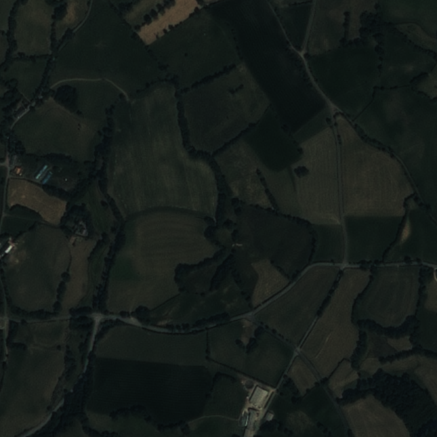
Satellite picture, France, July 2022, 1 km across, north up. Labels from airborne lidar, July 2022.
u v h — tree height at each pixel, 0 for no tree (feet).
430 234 0
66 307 0
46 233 0
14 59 18
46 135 0
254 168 0
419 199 72
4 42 0
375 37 54
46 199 0
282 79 0
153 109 0
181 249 0
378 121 0
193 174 0
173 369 0
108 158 38
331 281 0
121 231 29
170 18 0
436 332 0
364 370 0
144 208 0
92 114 0
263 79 0
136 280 0
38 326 0
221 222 60
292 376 0
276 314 0
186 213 0
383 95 0
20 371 0
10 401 0
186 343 0
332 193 0
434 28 0
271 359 0
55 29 28
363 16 26
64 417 56
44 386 0
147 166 0
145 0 0
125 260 0
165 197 0
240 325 0
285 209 0
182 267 57
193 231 0
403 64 0
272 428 73
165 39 0
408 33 0
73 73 0
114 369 0
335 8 0
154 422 27
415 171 0
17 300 0
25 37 0
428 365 0
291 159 0
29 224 0
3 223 0
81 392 43
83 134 0
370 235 0
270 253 0
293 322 0
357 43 62
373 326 78
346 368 0
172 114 0
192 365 0
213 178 0
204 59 0
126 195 0
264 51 0
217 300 0
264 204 0
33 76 0
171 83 57
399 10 0
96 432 61
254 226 0
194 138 0
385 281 0
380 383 79
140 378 0
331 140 0
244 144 0
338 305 0
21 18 0
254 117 0
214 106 0
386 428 0
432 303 0
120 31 0
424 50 24
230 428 0
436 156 0
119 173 0
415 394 88
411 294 0
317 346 0
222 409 0
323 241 0
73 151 0
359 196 0
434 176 0
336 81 0
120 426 0
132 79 0
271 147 0
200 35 0
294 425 0
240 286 58
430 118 0
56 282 0
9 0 0
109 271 32
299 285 0
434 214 0
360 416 0
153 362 0
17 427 0
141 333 0
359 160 0
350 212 0
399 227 23
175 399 0
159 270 0
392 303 0
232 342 0
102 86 0
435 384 0
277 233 0
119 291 0
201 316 0
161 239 0
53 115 0
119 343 0
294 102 0
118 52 0
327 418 0
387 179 0
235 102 0
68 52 0
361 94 0
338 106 0
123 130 0
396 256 0
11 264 0
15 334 51
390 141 0
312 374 0
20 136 0
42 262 0
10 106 34
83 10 0
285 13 0
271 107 22
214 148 0
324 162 0
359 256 0
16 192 0
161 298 0
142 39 25
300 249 0
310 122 0
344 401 21
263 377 0
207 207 0
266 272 0
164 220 0
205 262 38
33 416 0
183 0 0
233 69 33
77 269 0
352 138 0
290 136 28
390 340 0
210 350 24
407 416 71
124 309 0
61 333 0
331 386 0
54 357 0
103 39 0
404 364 0
